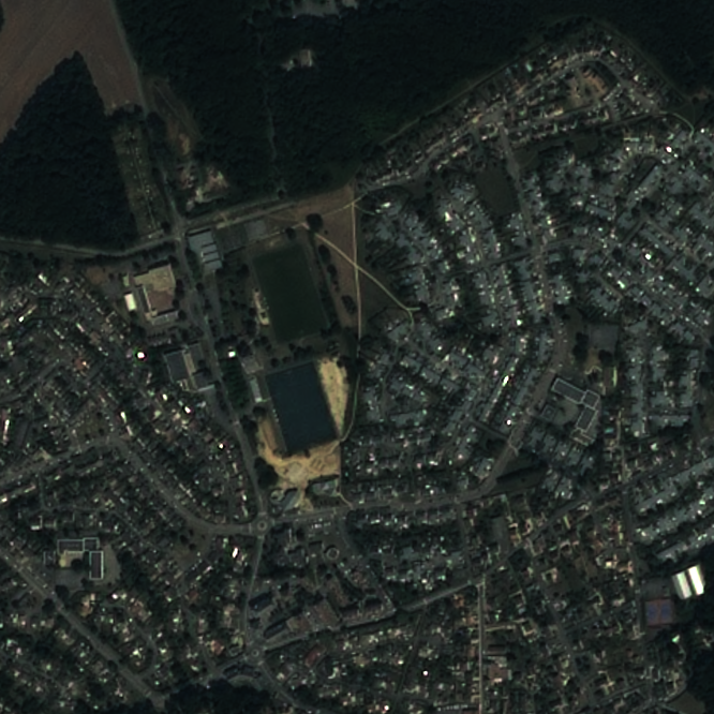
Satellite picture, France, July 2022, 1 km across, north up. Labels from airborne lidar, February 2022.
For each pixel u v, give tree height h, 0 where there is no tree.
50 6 0
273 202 0
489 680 0
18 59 0
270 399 0
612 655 0
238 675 0
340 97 22
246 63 22
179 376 0
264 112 12
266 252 0
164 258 0
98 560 0
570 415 0
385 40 23
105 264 9
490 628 0
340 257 0
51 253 0
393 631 0
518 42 10
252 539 0
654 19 18
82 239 21
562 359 0
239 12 22
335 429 0
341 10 6
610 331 0
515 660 16
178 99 18
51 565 9
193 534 10
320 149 7
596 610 0
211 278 0
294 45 22
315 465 0
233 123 21
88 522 0
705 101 0
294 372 0
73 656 9
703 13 16
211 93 20
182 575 0
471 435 0
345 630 10
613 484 0
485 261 0
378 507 0
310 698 7
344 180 0
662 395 0
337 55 18
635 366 0
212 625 7
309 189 9
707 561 19
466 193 0
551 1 18
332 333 13
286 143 17
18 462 0
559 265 6
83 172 30
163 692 7
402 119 11
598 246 0
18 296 0
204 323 0
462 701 0
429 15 24
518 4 18
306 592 7
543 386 0
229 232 0
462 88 0
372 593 6
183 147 0
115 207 10
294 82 15
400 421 0
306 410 0
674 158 0
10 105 0
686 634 10
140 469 0
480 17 22
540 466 13
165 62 23
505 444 6
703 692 20
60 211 29
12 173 21
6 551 0
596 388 0
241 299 0
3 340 0
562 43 8
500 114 0
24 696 7
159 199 0
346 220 0
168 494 0
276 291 0
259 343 11
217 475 0
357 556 0
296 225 0
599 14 7
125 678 0
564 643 0
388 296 0
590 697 0
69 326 7
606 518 0
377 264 7
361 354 6
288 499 0
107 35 0
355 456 0
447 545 7
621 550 0
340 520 0
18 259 10
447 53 24
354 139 12
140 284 0
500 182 0
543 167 6
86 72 14
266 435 0
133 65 0
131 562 11
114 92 0
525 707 0
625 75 6
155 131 29
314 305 0
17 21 0
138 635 0
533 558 0
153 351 7
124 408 6
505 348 0
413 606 0
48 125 26
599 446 10
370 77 22
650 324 8
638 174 6
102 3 0
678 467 0
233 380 9
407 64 20
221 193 0
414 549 7
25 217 21
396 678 0
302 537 11
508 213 0
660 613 0
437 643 0
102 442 0
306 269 0
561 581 0
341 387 0
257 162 23
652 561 8
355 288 0
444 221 0
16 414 7
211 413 0
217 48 23
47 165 27
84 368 0
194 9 13
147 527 0
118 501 0
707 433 0
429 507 0
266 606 0
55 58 0
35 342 0
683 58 17
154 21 8
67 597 18
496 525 0
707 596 17
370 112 8
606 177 7
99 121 26
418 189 0
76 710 8
